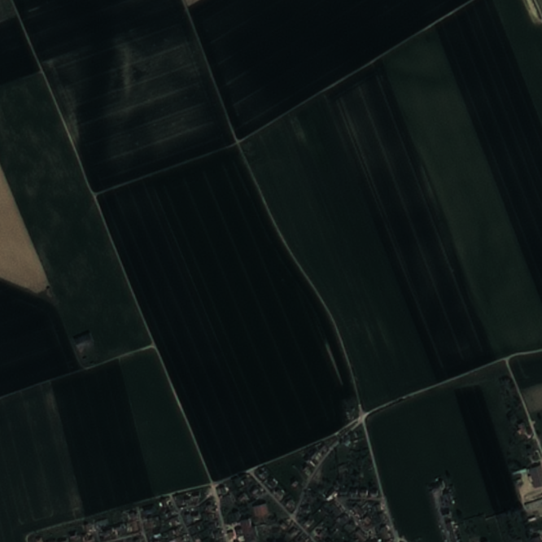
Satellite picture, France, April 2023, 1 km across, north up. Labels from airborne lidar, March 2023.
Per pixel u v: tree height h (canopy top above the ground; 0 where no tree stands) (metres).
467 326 0
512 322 0
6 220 0
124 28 0
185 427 0
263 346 0
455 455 0
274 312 0
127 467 0
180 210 0
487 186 0
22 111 0
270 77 0
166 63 0
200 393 0
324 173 0
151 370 0
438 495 0
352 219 0
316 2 0
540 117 0
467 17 0
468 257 0
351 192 0
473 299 0
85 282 0
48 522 0
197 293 0
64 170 0
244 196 0
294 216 0
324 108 0
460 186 0
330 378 0
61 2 0
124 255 0
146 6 0
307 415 0
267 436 0
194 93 0
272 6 0
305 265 0
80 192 0
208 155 0
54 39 0
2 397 0
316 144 0
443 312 0
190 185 0
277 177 0
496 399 0
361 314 0
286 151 0
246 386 0
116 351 0
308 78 0
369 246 0
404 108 0
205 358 0
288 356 0
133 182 0
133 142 0
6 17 0
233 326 0
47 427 0
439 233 0
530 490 0
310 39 0
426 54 0
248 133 0
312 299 0
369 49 0
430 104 0
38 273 0
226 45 0
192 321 0
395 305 0
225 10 0
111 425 0
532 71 0
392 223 0
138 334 0
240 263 0
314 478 0
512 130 0
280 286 0
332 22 0
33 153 0
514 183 0
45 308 0
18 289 0
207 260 0
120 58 0
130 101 0
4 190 0
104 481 0
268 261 0
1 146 0
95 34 0
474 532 9
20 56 0
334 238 0
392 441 0
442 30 0
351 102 0
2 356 0
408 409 0
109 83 0
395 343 0
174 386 0
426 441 0
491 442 0
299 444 0
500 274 0
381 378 0
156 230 0
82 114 0
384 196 0
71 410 0
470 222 0
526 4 0
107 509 0
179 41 0
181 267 0
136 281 0
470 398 0
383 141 0
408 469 0
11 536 0
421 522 0
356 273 0
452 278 0
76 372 0
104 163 0
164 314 0
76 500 0
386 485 0
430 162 0
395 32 0
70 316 0
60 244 0
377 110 0
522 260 0
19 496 0
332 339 0
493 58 0
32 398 0
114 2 0
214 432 0
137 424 0
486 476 0
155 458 0
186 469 0
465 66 0
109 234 0
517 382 0
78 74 0
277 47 0
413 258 0
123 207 0
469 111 0
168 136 0
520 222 0
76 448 0
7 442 0
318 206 0
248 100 0
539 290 0
